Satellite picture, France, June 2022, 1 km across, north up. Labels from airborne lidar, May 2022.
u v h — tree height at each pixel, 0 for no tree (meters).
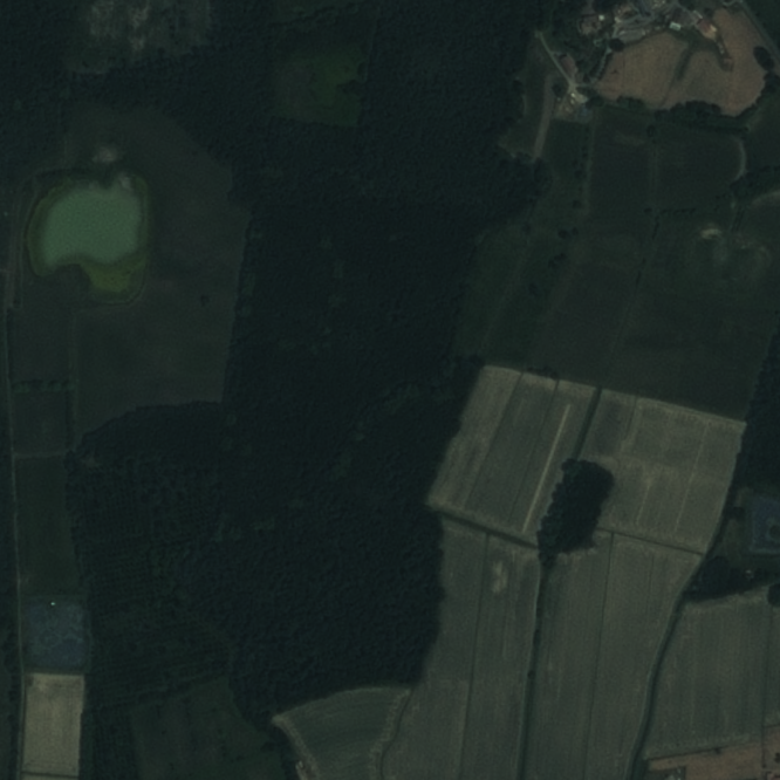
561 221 0
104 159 0
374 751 0
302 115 0
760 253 0
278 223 16
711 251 0
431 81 13
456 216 16
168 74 17
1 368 0
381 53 16
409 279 20
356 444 22
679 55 0
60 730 0
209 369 0
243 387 14
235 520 19
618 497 0
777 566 0
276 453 18
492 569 0
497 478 0
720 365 0
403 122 17
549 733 0
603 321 0
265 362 18
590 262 0
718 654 0
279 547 20
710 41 0
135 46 0
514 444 0
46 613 0
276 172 29
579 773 0
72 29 9
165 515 14
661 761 0
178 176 0
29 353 0
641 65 0
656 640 0
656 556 0
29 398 0
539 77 0
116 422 12
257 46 18
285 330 15
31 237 0
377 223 21
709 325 0
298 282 18
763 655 0
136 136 0
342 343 13
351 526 16
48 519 0
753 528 0
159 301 0
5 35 24
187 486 20
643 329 0
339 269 15
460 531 0
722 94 0
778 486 8
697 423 0
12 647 12
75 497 7
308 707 0
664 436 0
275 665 22
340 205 17
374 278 14
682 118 14
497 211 17
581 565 0
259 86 17
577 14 8
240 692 10
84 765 14
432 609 16
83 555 9
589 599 0
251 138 21
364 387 17
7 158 9
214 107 18
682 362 0
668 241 0
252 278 18
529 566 0
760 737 0
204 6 0
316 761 0
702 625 0
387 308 9
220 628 8
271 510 17
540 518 0
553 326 0
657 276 0
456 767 0
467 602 0
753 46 0
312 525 25
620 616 0
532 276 0
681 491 0
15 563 9
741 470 14
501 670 0
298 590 17
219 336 0
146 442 14
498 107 19
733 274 0
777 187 16
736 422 0
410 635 13
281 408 18
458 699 0
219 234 0
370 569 16
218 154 14
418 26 14
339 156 21
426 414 22
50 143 12
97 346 0
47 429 0
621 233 0
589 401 0
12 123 12
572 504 22
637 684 0
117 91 19
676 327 0
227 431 19
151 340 0
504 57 21
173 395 0
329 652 18
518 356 0
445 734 0
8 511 8
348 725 0
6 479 9
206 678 6
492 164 9
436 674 0
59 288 0
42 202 0
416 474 17
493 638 0
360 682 14
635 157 0
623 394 0
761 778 0
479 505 0
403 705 0
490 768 0
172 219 0
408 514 20
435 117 12
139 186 0
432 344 16
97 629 6
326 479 19
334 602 24
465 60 18
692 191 0
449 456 0
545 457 0
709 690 0
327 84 0
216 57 19
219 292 0
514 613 0
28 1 20
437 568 10
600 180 0
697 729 0
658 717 0
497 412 0
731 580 17
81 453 8
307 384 17
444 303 18
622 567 0
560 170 0
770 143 0
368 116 13
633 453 0
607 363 0
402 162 21
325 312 15
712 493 0
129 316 0
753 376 0
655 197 0
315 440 18
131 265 0
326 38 11
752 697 0
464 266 13
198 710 0
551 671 0
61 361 0
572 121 0
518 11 22
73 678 0
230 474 18
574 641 0
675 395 0
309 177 27
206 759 0
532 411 0
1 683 0
